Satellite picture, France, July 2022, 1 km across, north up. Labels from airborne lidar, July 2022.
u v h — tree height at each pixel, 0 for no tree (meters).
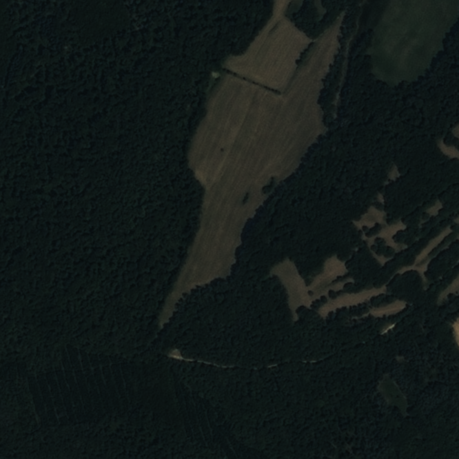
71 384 9
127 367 11
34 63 24
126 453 22
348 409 25
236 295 17
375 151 19
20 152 25
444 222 17
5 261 20
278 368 8
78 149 25
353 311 17
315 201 20
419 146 18
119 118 22
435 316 23
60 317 25
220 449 8
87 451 19
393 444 21
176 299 0
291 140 0
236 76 8
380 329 19
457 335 0
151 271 27
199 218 23
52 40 23
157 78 19
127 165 18
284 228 19
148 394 14
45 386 10
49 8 23
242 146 0
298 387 19
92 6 9
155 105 18
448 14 0
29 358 16
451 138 15
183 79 13
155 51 20
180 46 22
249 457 8
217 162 0
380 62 0
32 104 9
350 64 16
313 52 0
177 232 20
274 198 14
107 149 19
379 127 20
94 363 9
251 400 22
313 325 18
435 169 22
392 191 20
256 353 18
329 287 0
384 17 0
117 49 15
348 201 17
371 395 22
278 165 0
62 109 24
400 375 21
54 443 18
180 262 26
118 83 22
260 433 22
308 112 0
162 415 17
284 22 0
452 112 18
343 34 16
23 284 21
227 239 0
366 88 23
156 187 17
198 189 24
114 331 18
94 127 21
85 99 21
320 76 0
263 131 0
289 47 0
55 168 22
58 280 20
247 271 22
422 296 21
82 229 13
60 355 14
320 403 27
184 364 15
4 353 18
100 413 11
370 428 24
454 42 25
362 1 17
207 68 22
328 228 16
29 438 20
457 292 6
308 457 16
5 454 20
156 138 16
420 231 20
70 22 15
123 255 14
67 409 9
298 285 0
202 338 17
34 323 24
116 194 15
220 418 9
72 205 23
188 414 7
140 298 17
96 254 24
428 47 0
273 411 18
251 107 0
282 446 18
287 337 19
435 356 23
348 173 22
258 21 31
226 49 27
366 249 17
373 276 17
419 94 26
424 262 0
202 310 19
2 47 10
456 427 16
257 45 0
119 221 16
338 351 18
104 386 10
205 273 0
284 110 0
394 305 0
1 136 20
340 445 22
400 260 24
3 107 15
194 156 0
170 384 9
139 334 18
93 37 11
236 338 17
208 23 21
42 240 19
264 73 0
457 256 18
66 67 21
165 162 11
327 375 21
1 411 13
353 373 21
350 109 22
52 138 23
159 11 26
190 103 20
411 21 0
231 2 27
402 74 0
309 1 19
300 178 17
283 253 23
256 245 21
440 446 16
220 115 0
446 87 21
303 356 20
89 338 22
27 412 10
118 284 14
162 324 0
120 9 11
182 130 21
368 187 17
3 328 16
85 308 14
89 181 19
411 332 20
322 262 19
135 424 26
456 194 17
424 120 21
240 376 18
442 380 9
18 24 20
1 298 22
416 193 15
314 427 21
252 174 0
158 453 19
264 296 20
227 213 0
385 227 0
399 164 16
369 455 26
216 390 16
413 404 15
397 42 0
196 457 21
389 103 20
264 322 26
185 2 29
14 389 10
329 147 22
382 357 18
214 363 12
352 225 16
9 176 22
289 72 0
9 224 23
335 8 17
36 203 23
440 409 18
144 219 16
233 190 0
